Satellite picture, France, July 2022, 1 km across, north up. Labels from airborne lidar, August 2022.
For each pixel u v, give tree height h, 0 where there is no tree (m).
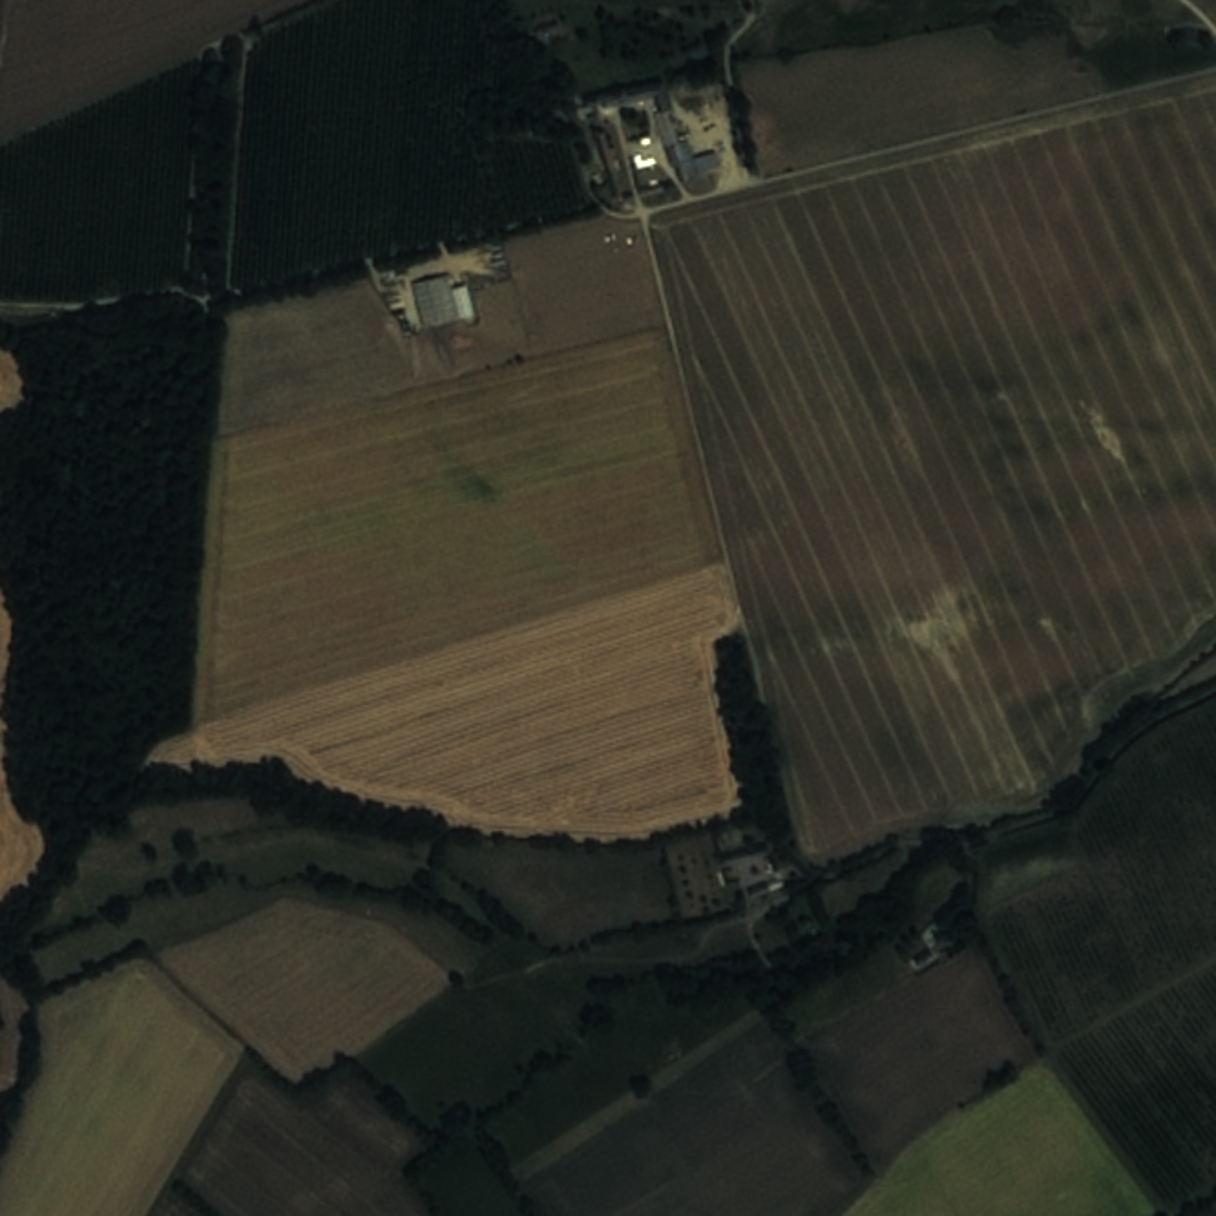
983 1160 0
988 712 0
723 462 0
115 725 9
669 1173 0
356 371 0
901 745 0
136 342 13
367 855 0
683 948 0
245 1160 0
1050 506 0
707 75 19
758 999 22
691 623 0
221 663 0
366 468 0
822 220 0
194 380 21
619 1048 0
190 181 6
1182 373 0
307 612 0
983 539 0
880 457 0
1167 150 0
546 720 0
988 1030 0
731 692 18
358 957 0
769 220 0
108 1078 0
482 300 0
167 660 20
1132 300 0
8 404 0
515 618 0
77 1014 0
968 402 0
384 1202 0
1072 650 0
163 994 0
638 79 0
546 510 0
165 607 20
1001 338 0
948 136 0
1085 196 0
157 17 0
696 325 0
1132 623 0
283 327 0
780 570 0
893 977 0
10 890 0
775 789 15
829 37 0
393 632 0
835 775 0
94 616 20
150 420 17
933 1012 0
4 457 19
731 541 0
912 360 0
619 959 0
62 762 15
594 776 0
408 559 0
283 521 0
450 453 0
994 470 0
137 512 20
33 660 19
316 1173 0
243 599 0
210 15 0
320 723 0
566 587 0
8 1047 0
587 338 0
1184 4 0
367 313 0
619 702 0
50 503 21
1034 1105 0
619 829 0
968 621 0
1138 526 0
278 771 17
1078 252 0
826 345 0
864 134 0
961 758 0
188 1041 0
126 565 15
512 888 0
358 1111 0
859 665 0
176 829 0
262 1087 0
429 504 0
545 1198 0
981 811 0
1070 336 0
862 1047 0
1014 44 0
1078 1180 0
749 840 9
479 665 0
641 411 0
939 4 0
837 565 0
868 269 0
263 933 0
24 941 23
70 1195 0
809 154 0
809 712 0
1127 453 0
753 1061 0
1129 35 0
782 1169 0
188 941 0
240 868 0
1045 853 0
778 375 0
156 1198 0
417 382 0
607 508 0
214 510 0
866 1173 16
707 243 0
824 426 0
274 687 0
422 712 0
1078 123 0
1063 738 0
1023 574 0
